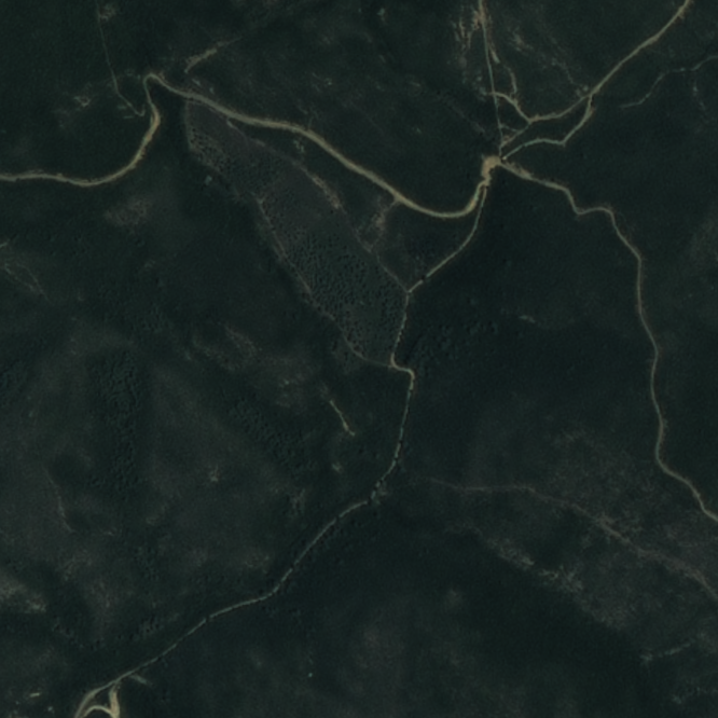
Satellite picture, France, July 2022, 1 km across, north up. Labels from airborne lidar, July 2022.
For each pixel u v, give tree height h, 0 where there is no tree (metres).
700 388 5
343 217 0
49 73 5
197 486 6
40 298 6
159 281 12
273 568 6
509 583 6
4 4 5
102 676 7
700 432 8
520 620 6
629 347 6
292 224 6
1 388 10
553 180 10
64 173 6
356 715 0
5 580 0
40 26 5
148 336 6
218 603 6
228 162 9
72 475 6
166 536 12
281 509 7
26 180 6
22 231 8
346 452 6
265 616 6
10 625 7
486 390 7
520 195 5
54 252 9
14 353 6
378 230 0
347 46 6
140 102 6
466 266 6
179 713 5
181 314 6
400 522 7
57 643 6
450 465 5
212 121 0
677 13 0
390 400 6
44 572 7
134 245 6
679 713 6
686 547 0
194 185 6
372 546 6
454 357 10
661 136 7
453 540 6
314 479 9
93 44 7
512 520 6
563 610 6
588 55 6
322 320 8
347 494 6
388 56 5
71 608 8
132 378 14
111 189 7
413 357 15
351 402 6
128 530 7
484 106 6
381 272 8
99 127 6
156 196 0
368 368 6
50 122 6
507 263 14
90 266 6
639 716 7
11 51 6
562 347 6
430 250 8
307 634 10
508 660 5
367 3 7
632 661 7
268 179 8
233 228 6
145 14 7
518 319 6
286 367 0
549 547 6
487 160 0
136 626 8
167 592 6
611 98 6
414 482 7
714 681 5
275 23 7
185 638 6
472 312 8
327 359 8
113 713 0
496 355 5
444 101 7
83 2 6
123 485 6
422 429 7
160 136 9
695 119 5
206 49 6
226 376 6
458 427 6
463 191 9
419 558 6
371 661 0
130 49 10
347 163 0
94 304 7
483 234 6
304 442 14
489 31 0
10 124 7
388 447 6
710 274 6
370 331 8
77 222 7
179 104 6
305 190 0
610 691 6
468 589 6
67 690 8
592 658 7
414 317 9
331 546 6
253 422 15
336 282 9
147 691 6
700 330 6
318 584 6
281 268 6
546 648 7
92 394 5
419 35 0
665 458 5
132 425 15
